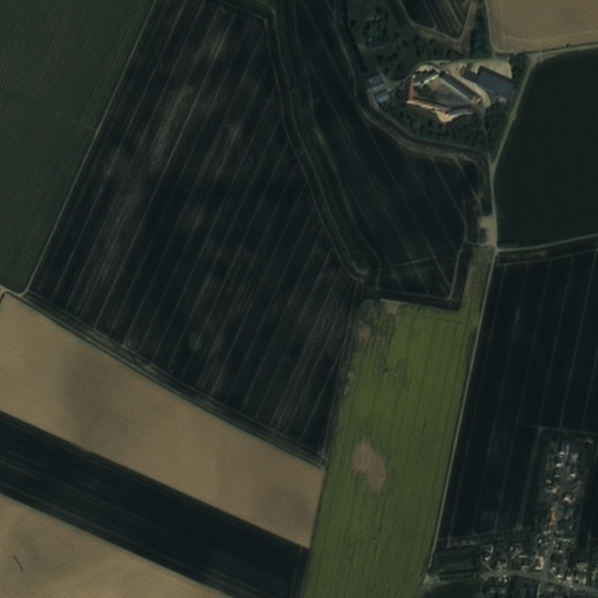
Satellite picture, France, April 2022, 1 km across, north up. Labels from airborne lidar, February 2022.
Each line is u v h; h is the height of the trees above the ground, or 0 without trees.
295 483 0
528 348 0
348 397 0
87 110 0
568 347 0
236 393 0
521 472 0
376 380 0
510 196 0
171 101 0
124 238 0
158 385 0
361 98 0
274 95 0
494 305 0
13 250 0
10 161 0
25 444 0
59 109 0
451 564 0
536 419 0
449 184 0
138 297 0
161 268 0
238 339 0
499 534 0
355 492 0
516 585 15
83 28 0
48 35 0
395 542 0
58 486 0
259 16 0
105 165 0
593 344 0
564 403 0
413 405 0
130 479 0
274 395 0
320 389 0
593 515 0
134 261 0
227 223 0
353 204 0
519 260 0
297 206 0
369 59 0
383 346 0
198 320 0
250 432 0
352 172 0
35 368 0
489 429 0
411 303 0
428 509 0
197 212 0
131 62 0
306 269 0
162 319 0
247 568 0
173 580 0
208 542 0
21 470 0
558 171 0
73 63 0
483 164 0
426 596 0
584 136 0
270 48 0
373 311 0
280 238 0
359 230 0
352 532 0
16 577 0
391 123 0
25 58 0
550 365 0
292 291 0
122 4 0
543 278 0
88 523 0
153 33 0
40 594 0
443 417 0
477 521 0
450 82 0
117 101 0
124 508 0
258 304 0
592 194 0
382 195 0
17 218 0
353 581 0
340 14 0
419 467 0
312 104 0
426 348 0
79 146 0
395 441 0
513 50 0
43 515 0
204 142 0
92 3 0
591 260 0
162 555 0
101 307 0
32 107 0
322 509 0
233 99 0
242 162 0
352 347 0
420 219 0
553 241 0
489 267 0
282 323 0
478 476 0
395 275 0
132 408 0
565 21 0
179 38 0
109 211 0
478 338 0
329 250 0
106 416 0
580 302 0
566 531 12
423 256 0
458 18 0
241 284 0
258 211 0
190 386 0
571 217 0
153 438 0
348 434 0
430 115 0
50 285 0
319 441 0
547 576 0
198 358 0
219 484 0
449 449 0
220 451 0
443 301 0
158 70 0
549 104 0
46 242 0
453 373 0
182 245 0
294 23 0
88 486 0
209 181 0
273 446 0
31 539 0
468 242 0
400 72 11
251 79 0
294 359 0
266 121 0
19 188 0
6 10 0
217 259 0
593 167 0
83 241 0
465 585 0
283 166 0
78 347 0
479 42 17
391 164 0
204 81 0
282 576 0
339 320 0
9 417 0
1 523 0
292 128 0
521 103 0
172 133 0
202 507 0
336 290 0
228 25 0
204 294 0
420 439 0
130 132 0
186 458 0
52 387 0
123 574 0
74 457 0
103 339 0
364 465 0
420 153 0
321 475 0
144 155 0
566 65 0
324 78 0
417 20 0
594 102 0
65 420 0
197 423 0
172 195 0
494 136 15
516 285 0
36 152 0
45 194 0
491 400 0
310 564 0
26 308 0
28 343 0
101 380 0
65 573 0
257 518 0
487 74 0
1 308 0
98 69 0
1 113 0
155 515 0
